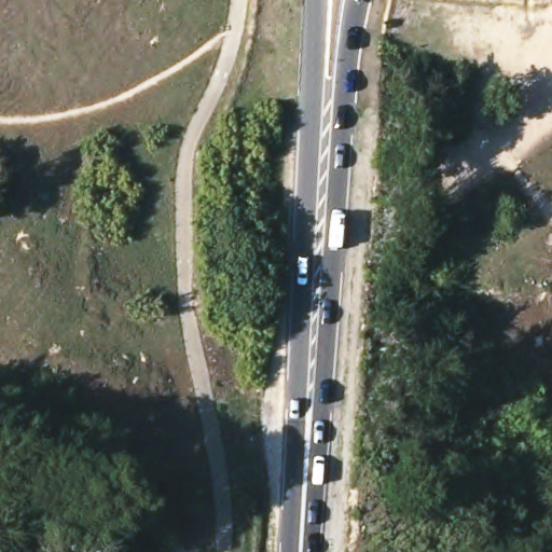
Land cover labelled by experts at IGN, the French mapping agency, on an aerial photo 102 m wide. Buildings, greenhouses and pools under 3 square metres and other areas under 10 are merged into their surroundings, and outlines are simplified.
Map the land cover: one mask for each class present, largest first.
<instances>
[{"label":"deciduous trees","instance_id":"1","mask_svg":"<svg viewBox=\"0 0 552 552\"><path fill-rule=\"evenodd\" d=\"M380 132L377 149L371 162L380 175L377 194L371 198L377 207L371 211L349 209L343 216V244L347 248L362 244L367 250L364 280L369 285V291L362 295V302L367 304V330L362 332V392L358 401L354 431L356 455L362 461L371 464V468L380 472L382 481L388 483V522L382 528L390 530V537H384L375 548L367 552H552V319L543 326H533L530 330H524L518 336V341H511L507 336V330L518 317L513 304H505L494 300L492 295L477 293L479 257H483L492 246L500 242H515L520 233L526 229H537L546 224L541 209L528 196L526 188L511 170L500 166L489 179H479L474 175L466 181L455 183V192H446L442 185L444 177L440 175V164H444L449 153L455 149V142L464 144L472 138V123L481 110L485 114H494L496 123H507L509 116H513L520 108V86L533 84L541 93L539 106L548 114H552V67L507 75L500 71L496 63H474L461 58L449 60L433 52H423L399 37L384 35L380 56ZM265 86L261 82L250 84V88L237 84L231 112L222 114L216 108L198 140V160H194L192 168L194 226L201 233H205L201 254H205L207 259L205 276L196 278L205 289L207 304V319L198 326L222 347H229L235 354L233 375L239 386L237 390L233 388L226 395V414L246 425L261 423V403L265 390L276 382L280 369V356L276 347H272V336L274 330L280 326V315L274 308L282 300V291L274 287V280L276 267L280 265L285 252L282 248L270 242V229L259 216L261 198L257 194L261 192L263 177L259 175V170L252 168V160H265V149L259 144V136L280 134V123L276 121L278 99L267 97L263 93ZM80 149L82 164L69 190L71 218L73 224H78L80 229L88 224V242H97L101 246V252H106L110 246L127 244L132 239V235H127L123 229V213L132 205H136V198L140 196L142 188L140 183L129 179V173L121 164L112 160L110 149H99L97 140L93 138L75 147ZM95 386H101V377L97 373H54L45 364V356L0 364V552H144L147 535H153L162 526V518L166 511V483L179 472V459L160 449V442L147 433L136 414L114 410L112 405L95 401L91 397V390Z\"/></svg>","mask_w":552,"mask_h":552},{"label":"herbaceous vegetation","instance_id":"2","mask_svg":"<svg viewBox=\"0 0 552 552\"><path fill-rule=\"evenodd\" d=\"M231 0H0V116H35L47 112H63L114 97L144 82L147 78L164 71L166 67L179 63L196 47H201L205 41H209L213 35L222 32L229 24ZM302 0H257L252 37L244 32L239 39V50L233 69L229 73L226 86L216 108L222 114L231 112L237 84L250 88V84L261 82L265 86L263 93L267 97L278 99L298 97ZM390 28H401L399 37L423 52H433L449 60L461 58L455 52L451 30L444 26L442 9H436V0H392L388 22ZM222 52L213 47L196 63L170 75L168 80L151 86L149 91L93 114L35 125H0V364L45 356V364L54 373H97L101 377V386H95L91 390V397L95 401L112 405L114 410L136 414L147 433L160 442V449L179 459V472L166 483V511L162 518V526L153 535H147L144 552H190L198 539H207L209 543H213L216 530L224 524H231V533L239 537V548H235L233 552H267L270 515L276 505L272 502L265 459L263 436L267 431L261 423L246 425L226 414V395L233 388L237 390L239 386L233 375L235 354L229 347H222L198 326L211 382L209 397L194 395L183 339L181 313L185 302L177 289V166L183 134L198 110V104L211 82V75ZM93 138L97 140L99 149H110L112 160L121 164L129 173V179L140 183L142 188L140 196L136 198V205H132L123 213V229L127 235H132V239L127 244L110 246L106 252H101V246L97 242H88V224L80 229L78 224H73L71 218L69 190L82 164L80 149L75 147ZM526 188L539 185L546 192L552 188V134L543 142H539L520 162L518 168L511 170ZM477 293L492 295L494 300L505 304H513L518 317L507 330V336L511 341H518V336L524 330H530L533 326H543L552 319V229L546 224L537 229H526L520 233L515 242H500L492 246L483 257H479ZM205 233H201L194 226L196 278L205 276L207 259L205 254H201Z\"/></svg>","mask_w":552,"mask_h":552},{"label":"impervious surface","instance_id":"3","mask_svg":"<svg viewBox=\"0 0 552 552\"><path fill-rule=\"evenodd\" d=\"M246 0H231L229 24L222 32V52L211 75V82L198 104V110L183 134L177 166V289L185 302L181 313L183 339L194 395L209 397L211 382L198 326L207 319V304L205 289L196 278L194 226L192 168L194 160H198V140L216 108L226 86L229 73L233 69L239 50V39L244 32ZM371 0H302L298 97L278 99L276 121L280 123V134L259 136V144L265 149V160H252V168L259 170V175L263 177L261 192L257 194L261 198L259 216L270 229V242L282 248L285 252L280 265L276 267L274 280V287L282 291V300L274 308L280 315V326L274 330L272 336V347H276L280 356V369L276 382L265 390L261 403V423L267 431L263 436L265 459L272 502L276 505L270 515L267 552H356V541L360 535L358 520L347 518V509L358 507V489H354L349 483L351 464L356 455L354 431L358 401L362 392V332L367 330V304L362 302V295L369 291V285L364 280L367 250L362 244L347 248L343 244V216L349 209L371 211L377 207L371 198L377 194L380 175L371 162L377 149L380 132V56L384 35L399 37L401 28H390L388 22L375 19L367 28H362L364 11ZM231 524H224L216 530L213 543H209L207 539H198L190 552H233L235 548H239V537L231 533Z\"/></svg>","mask_w":552,"mask_h":552},{"label":"pervious surface","instance_id":"4","mask_svg":"<svg viewBox=\"0 0 552 552\"><path fill-rule=\"evenodd\" d=\"M257 0H246L244 32L252 37ZM392 0H371L364 11L362 28H367L375 19L388 22ZM436 9H442L444 26L451 30L455 52L461 58L474 63H496L500 71L507 75L552 67V0H436ZM213 47L222 52V32L213 35L209 41H205L201 47H196L179 63L166 67L164 71L147 78L144 82L114 97L63 112H47L35 116H0V125H35L93 114L149 91L151 86L168 80L170 75L196 63ZM520 108L513 116H509L507 123H496L494 114H485L481 110L472 123V138L464 144L455 142V149L449 153L444 164H440V175L444 177L442 185L446 192H455V183L466 181L474 175L479 179H489L500 166L511 170L518 168L520 162L539 142H543L552 134V114H548L539 106L541 93L533 84L520 86ZM528 196L541 209L546 224L552 229V188L546 192L539 185L526 188Z\"/></svg>","mask_w":552,"mask_h":552},{"label":"brushwood","instance_id":"5","mask_svg":"<svg viewBox=\"0 0 552 552\"><path fill-rule=\"evenodd\" d=\"M349 483L354 489H358V507L347 509V518L358 520L360 535L356 541V552H367L375 548L384 537H390V530L382 528L388 522V483L382 481L380 472L371 468V464L362 461L356 455L351 464Z\"/></svg>","mask_w":552,"mask_h":552}]
</instances>
